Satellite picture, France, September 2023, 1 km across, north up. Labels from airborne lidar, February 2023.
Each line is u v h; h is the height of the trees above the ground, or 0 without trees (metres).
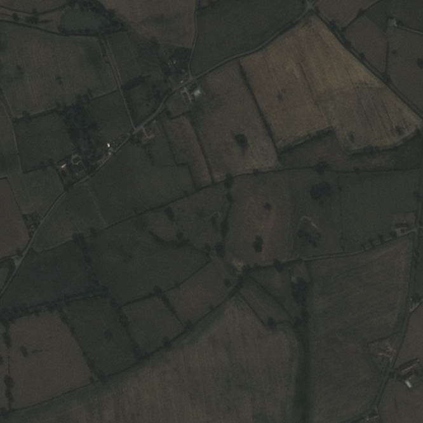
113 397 0
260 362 0
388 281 0
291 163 0
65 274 0
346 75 0
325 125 0
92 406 0
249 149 0
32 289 0
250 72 0
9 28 0
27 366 0
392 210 0
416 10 0
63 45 0
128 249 0
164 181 0
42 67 0
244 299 0
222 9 0
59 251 0
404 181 0
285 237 0
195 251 0
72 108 7
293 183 0
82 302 0
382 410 0
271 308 0
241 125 0
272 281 0
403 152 0
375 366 0
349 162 0
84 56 0
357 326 0
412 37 0
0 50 0
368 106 0
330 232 0
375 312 0
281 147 0
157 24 0
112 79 0
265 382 0
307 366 0
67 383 0
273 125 0
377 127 0
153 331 0
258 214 0
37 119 0
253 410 0
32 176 0
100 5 13
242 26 0
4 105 0
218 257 0
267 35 0
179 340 0
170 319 0
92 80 0
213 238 0
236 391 0
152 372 0
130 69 0
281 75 0
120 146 0
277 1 0
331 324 0
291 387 0
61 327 0
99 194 0
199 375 0
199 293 0
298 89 0
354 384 0
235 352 0
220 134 0
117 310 16
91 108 0
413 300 13
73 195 0
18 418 0
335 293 0
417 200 11
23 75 0
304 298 8
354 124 0
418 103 0
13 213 0
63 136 0
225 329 0
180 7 0
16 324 0
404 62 0
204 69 0
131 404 0
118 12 0
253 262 0
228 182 11
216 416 0
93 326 0
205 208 0
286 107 0
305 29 0
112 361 0
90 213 0
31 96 0
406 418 0
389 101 0
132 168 0
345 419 0
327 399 0
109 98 0
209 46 0
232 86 0
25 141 0
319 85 0
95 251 0
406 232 0
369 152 17
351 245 0
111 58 0
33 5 0
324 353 0
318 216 0
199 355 0
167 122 0
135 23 0
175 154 0
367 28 0
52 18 0
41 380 0
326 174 0
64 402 0
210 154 0
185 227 0
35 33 0
